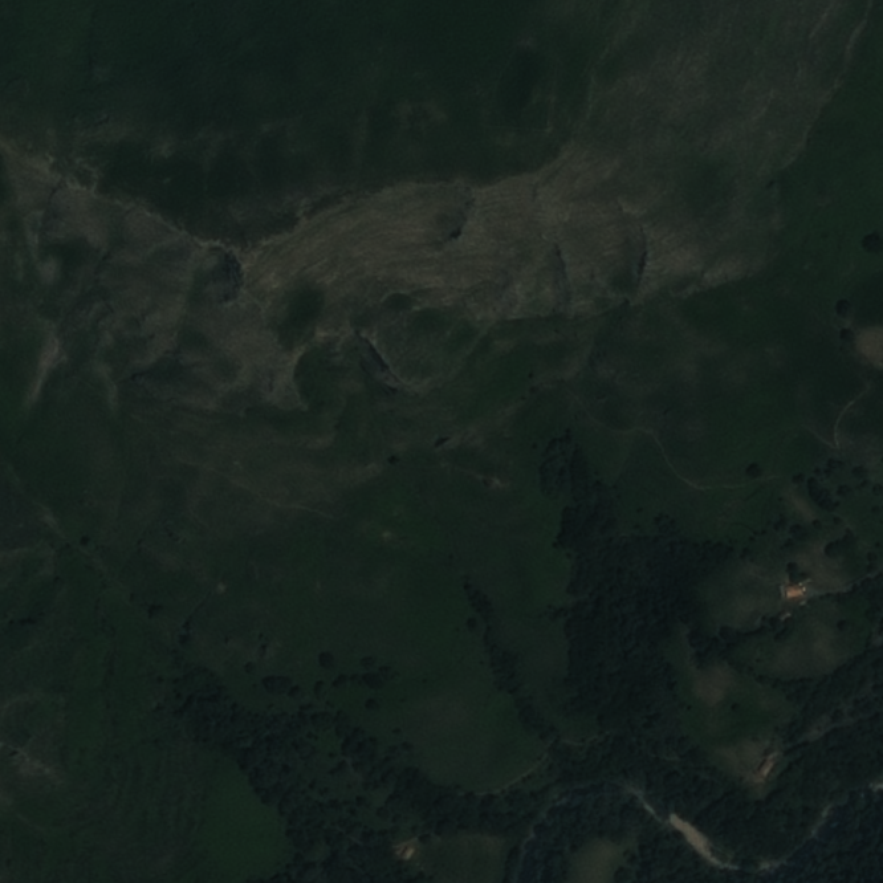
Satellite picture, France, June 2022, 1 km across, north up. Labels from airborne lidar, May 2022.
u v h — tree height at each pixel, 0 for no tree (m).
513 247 0
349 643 0
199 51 0
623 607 33
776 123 0
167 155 0
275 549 0
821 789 19
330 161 0
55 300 0
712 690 0
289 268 0
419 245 0
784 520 8
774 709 0
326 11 0
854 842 11
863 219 0
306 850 12
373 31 0
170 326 0
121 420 0
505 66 0
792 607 0
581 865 0
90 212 0
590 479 17
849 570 0
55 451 0
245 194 0
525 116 0
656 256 0
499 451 0
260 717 10
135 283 0
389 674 17
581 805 21
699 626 13
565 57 0
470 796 11
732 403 0
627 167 0
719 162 0
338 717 8
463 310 0
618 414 0
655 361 0
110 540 0
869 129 0
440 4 0
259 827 0
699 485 0
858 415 0
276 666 0
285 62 0
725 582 0
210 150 0
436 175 0
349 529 0
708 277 0
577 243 0
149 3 0
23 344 0
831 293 0
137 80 0
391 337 0
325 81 0
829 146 0
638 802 18
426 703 0
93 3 0
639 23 0
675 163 0
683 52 0
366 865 31
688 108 0
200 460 0
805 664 0
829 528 0
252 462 0
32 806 0
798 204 0
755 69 0
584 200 0
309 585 0
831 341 0
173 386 0
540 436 0
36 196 0
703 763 10
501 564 0
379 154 0
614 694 22
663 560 10
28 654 0
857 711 9
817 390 0
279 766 32
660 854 22
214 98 0
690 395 0
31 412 0
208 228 0
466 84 0
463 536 0
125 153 0
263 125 0
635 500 0
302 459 0
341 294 0
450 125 0
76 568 0
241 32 0
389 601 0
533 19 0
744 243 0
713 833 21
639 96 0
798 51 0
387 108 0
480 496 0
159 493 0
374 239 0
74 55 0
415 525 0
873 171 0
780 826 21
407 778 15
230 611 0
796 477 6
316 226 0
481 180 0
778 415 0
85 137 0
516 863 18
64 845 0
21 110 0
